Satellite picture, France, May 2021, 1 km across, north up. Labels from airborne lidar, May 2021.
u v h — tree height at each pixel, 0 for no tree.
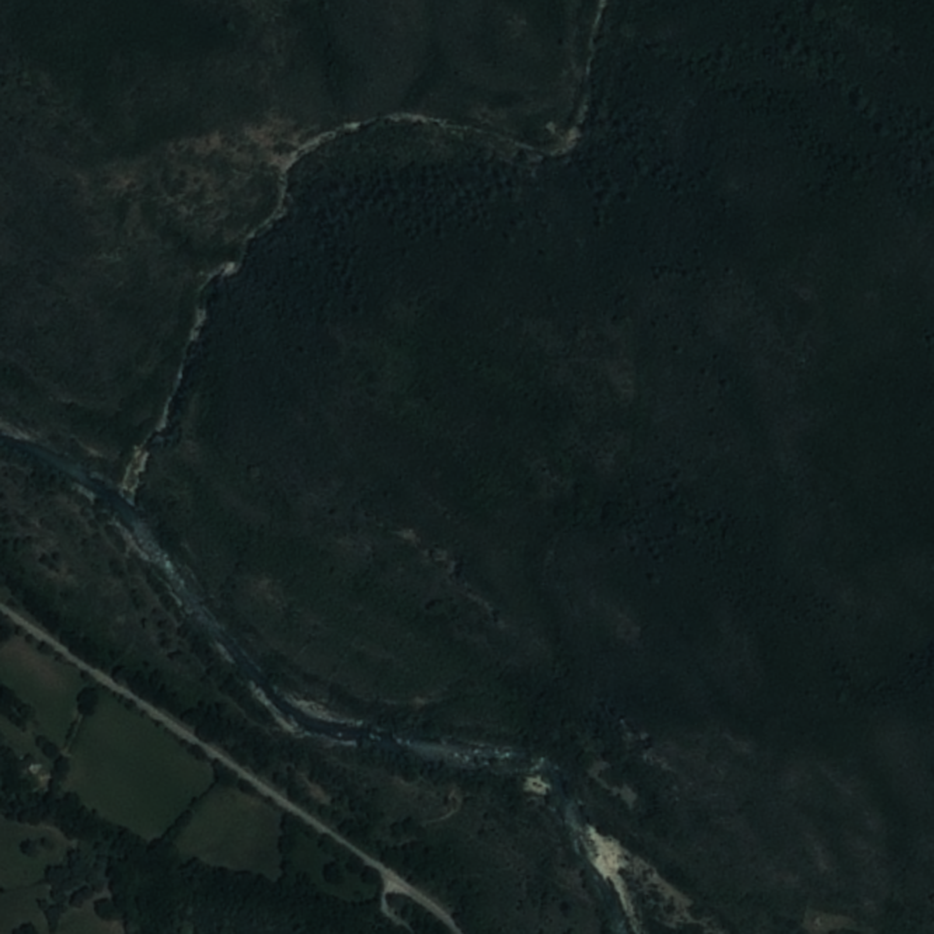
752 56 8
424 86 6
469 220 6
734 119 6
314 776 10
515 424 5
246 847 0
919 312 6
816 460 6
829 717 6
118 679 11
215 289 7
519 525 6
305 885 13
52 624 15
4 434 0
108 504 9
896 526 5
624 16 6
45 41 6
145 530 0
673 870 6
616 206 7
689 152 7
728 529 15
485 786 13
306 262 8
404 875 8
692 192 6
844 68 6
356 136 6
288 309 9
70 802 15
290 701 0
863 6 7
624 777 6
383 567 7
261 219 7
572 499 7
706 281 10
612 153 11
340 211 20
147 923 16
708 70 11
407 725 13
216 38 6
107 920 11
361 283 6
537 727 7
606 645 6
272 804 9
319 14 6
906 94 5
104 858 12
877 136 7
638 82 7
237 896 15
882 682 10
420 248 5
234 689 6
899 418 6
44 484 10
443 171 7
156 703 10
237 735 14
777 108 10
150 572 9
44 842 9
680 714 6
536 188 19
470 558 7
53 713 0
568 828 7
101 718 0
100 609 0
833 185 13
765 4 6
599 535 6
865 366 6
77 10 6
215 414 6
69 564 0
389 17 0
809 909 0
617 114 11
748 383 6
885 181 6
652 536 6
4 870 0
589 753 8
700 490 6
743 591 9
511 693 6
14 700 16
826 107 8
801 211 5
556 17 5
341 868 17
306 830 11
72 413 10
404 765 14
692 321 6
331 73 8
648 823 8
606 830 14
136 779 0
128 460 9
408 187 11
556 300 11
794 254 6
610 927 12
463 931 11
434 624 6
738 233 6
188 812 9
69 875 11
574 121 14
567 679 7
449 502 6
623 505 15
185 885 17
